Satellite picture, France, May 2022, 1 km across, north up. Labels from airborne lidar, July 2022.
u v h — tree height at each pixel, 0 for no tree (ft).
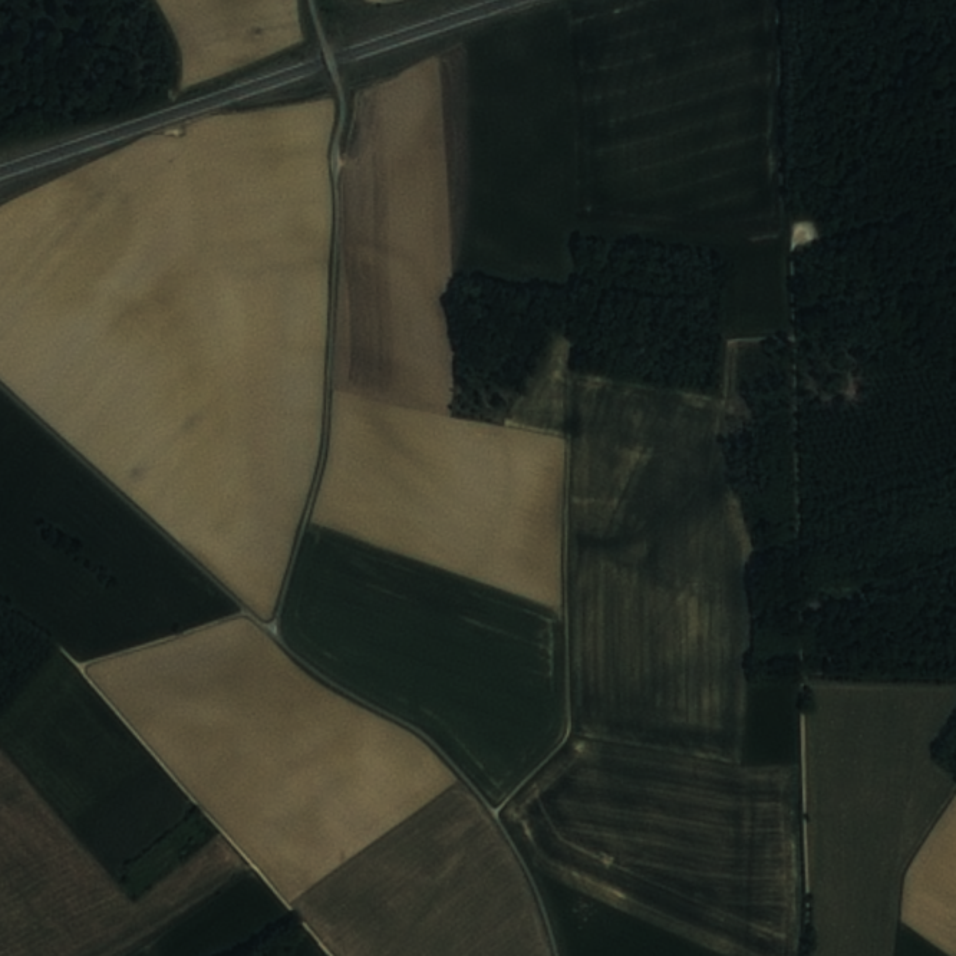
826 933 0
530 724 0
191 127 0
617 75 0
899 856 0
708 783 0
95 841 0
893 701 0
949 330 66
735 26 0
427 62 0
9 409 0
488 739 0
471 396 29
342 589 0
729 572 0
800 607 81
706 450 0
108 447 0
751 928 0
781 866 0
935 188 62
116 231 0
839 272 80
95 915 0
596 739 0
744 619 0
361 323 0
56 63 95
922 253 79
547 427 0
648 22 0
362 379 0
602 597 0
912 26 65
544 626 0
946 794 0
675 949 0
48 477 0
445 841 0
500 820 0
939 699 0
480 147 0
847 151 29
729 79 0
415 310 0
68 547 49
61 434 0
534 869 0
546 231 0
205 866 0
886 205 75
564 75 0
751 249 0
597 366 60
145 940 0
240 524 0
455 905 0
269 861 0
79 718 0
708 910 0
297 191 0
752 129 0
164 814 0
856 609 65
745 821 0
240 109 0
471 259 0
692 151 0
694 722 0
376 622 0
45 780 0
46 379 0
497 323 85
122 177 0
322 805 0
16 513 0
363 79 0
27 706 0
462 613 0
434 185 0
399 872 0
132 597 0
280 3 0
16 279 0
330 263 0
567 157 0
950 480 53
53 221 0
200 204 0
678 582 0
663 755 0
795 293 79
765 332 0
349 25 0
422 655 0
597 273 34
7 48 79
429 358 0
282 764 0
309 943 0
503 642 0
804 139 58
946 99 57
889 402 64
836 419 71
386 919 0
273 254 0
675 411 0
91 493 0
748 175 0
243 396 0
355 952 0
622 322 95
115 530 0
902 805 0
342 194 0
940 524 80
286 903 0
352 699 0
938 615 31
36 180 0
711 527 0
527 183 0
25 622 77
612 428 0
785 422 47
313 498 0
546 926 0
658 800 0
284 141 0
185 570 0
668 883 0
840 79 84
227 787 0
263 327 0
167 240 0
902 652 77
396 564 0
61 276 0
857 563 72
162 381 0
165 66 71
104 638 0
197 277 0
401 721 0
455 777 0
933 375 52
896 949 0
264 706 0
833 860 0
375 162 0
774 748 0
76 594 0
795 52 79
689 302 85
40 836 0
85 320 0
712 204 0
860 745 0
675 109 0
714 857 0
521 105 0
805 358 20
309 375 0
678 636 0
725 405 0
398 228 0
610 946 0
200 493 0
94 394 0
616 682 0
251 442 0
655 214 0
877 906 0
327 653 0
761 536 41
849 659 77
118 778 0
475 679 0
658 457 0
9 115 45
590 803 0
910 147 58
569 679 0
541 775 0
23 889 0
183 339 0
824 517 47
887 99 64
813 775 0
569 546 0
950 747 71
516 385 83
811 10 75
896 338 42
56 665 0
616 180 0
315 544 0
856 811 0
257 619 0
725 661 0
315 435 0
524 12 0
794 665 83
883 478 72
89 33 58
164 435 0
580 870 0
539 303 84
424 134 0
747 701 0
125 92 78
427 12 0
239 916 0
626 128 0
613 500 0
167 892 0
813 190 80
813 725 0
